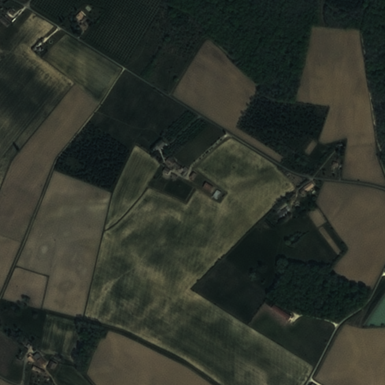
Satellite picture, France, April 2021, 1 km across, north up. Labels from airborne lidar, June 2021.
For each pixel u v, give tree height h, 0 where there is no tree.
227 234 0
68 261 0
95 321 0
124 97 0
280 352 0
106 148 10
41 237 0
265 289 0
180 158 0
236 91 0
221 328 0
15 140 0
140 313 0
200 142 0
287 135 6
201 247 0
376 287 0
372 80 22
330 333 0
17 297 0
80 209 0
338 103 0
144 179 0
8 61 0
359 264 0
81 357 25
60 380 0
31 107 0
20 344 16
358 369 0
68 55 0
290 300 18
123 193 0
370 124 0
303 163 17
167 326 0
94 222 0
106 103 0
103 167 8
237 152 0
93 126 7
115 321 0
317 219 0
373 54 18
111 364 0
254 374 0
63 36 0
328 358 0
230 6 27
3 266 0
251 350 0
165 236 0
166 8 9
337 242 0
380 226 0
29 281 0
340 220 0
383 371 0
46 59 0
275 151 6
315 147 0
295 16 17
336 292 26
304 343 0
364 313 0
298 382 0
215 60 0
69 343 0
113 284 0
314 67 0
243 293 0
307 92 0
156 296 0
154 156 11
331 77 0
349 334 0
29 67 0
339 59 0
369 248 0
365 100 0
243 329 0
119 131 0
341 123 0
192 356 0
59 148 0
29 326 0
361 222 0
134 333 0
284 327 0
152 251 0
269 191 0
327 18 17
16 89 0
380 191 0
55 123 0
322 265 9
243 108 0
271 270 0
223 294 0
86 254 0
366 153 0
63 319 0
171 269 0
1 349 0
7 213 0
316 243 0
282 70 21
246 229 0
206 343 0
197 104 0
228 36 18
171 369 0
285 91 20
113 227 0
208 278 0
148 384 0
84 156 9
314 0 19
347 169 0
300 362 0
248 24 22
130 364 0
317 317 18
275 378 0
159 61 6
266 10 21
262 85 8
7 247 0
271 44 23
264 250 0
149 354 0
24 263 0
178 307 0
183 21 6
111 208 0
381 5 23
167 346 0
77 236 0
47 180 0
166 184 0
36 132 0
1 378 0
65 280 0
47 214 0
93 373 0
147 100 0
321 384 0
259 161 0
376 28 21
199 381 0
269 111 9
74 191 0
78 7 0
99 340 23
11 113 0
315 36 0
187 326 0
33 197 0
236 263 0
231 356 0
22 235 0
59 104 0
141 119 0
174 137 6
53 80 0
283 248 0
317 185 7
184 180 0
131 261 0
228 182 0
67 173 8
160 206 0
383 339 0
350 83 0
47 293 0
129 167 0
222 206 0
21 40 0
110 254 0
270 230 0
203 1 21
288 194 11
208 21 20
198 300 0
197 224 0
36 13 0
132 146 0
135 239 0
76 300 0
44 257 0
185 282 0
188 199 0
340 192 0
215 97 0
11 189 0
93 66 0
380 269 0
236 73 0
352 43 0
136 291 0
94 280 0
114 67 0
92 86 0
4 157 0
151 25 7
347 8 8
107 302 0
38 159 0
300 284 19
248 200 0
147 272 0
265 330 0
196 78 0
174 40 9
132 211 0
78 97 0
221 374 0
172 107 0
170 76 0
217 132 0
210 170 0
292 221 0
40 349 0
